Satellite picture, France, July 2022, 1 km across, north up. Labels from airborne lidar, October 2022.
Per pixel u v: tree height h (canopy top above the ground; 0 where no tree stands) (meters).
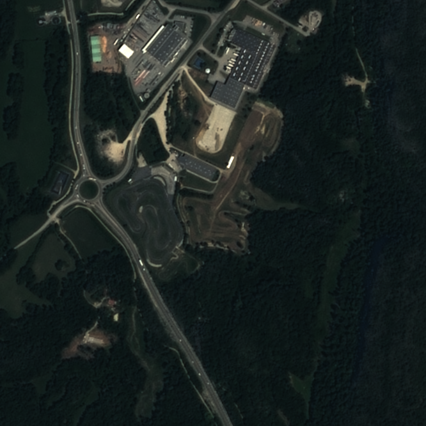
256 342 9
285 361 19
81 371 12
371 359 6
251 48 0
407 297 7
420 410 7
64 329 7
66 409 12
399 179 11
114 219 0
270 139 0
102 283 19
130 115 0
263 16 0
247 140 0
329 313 0
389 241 7
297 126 11
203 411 17
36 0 0
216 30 0
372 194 19
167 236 0
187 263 0
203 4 0
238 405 15
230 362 15
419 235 8
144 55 0
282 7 13
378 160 9
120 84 14
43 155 0
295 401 21
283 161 7
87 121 0
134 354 15
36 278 13
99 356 16
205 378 0
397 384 6
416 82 6
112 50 0
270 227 15
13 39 17
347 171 16
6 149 0
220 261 12
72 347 0
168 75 0
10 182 10
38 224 0
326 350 25
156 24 0
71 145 0
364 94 0
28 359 9
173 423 16
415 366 5
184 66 0
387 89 15
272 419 8
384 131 11
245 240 0
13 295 0
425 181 10
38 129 0
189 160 0
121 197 0
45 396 16
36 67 0
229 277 16
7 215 23
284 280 7
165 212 0
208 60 0
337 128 11
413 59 11
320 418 21
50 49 11
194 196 8
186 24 0
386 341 10
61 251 0
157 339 15
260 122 0
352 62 13
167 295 14
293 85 9
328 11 15
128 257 11
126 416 13
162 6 0
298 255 24
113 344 16
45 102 0
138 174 0
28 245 0
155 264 0
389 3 8
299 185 16
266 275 10
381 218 15
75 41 0
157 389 0
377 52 12
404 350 6
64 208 0
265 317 16
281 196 11
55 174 0
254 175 17
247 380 14
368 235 25
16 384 16
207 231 0
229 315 11
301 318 13
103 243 0
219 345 14
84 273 16
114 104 13
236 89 0
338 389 16
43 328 14
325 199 7
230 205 0
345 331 5
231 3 0
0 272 21
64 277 0
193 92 0
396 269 12
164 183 0
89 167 0
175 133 7
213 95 0
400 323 6
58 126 11
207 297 9
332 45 9
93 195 0
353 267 13
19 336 16
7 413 10
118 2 0
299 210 9
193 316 6
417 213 15
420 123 7
